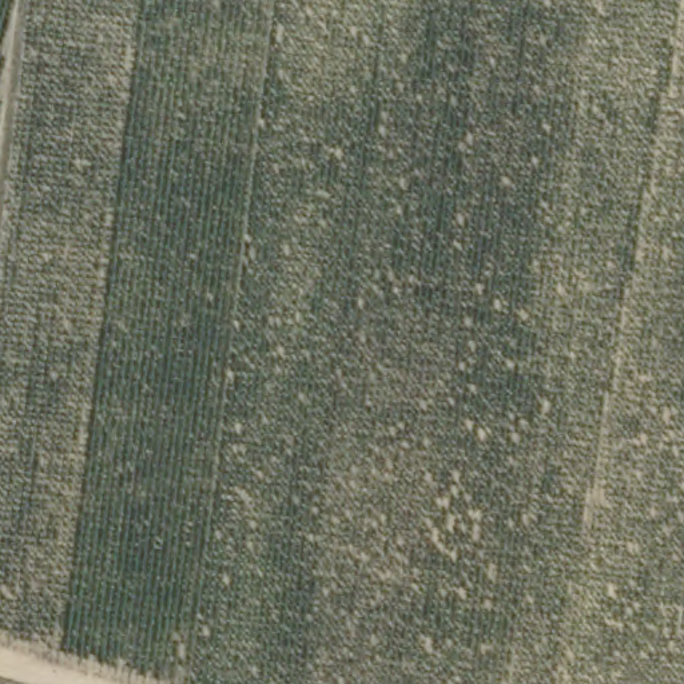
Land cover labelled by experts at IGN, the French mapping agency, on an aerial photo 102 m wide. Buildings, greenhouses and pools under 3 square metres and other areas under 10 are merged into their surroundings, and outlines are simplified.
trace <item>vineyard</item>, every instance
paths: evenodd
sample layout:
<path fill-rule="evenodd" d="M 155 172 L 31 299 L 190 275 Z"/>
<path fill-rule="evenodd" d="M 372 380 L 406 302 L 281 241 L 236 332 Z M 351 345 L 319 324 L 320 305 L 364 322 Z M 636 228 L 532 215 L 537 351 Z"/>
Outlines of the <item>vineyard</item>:
<path fill-rule="evenodd" d="M 684 684 L 684 0 L 0 0 L 0 631 L 21 641 L 40 641 L 45 649 L 94 657 L 96 663 L 110 668 L 120 657 L 126 660 L 128 671 L 136 671 L 139 676 L 152 676 L 166 684 Z"/>

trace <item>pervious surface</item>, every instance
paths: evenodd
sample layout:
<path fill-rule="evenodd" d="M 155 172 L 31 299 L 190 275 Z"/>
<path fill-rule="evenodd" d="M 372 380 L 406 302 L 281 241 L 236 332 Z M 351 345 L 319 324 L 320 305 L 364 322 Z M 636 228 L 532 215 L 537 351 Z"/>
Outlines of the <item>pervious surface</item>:
<path fill-rule="evenodd" d="M 0 684 L 166 684 L 152 676 L 139 676 L 136 671 L 128 671 L 126 660 L 120 657 L 110 668 L 96 663 L 94 657 L 45 649 L 40 641 L 21 641 L 0 631 Z"/>

